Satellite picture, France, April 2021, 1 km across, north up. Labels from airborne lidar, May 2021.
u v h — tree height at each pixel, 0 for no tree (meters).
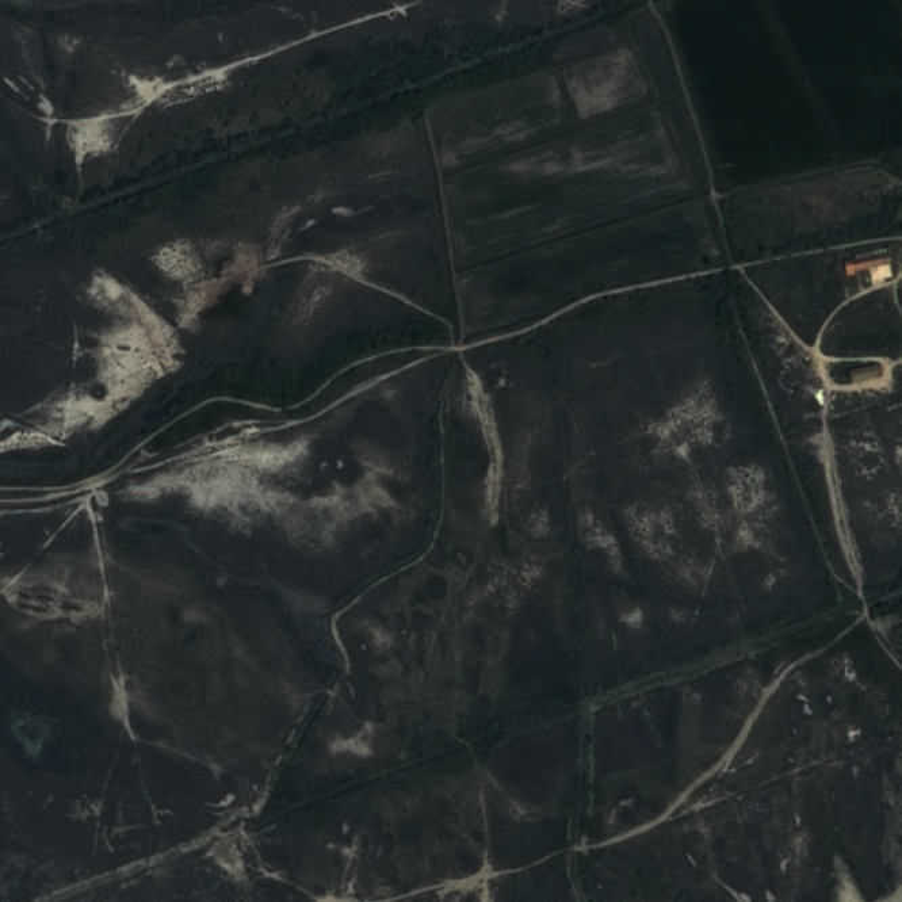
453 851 0
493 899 0
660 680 0
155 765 0
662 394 0
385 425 0
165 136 0
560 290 0
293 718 0
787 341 0
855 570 0
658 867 0
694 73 0
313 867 0
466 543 0
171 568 0
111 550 0
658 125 0
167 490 0
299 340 0
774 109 0
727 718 0
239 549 0
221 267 0
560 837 0
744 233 0
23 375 0
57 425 0
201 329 0
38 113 0
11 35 0
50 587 0
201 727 0
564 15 0
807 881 0
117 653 0
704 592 0
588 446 0
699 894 0
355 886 0
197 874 0
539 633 0
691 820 0
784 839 0
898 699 0
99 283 0
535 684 0
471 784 0
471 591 0
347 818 0
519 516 0
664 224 0
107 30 0
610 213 0
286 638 0
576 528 0
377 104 7
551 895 0
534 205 0
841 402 0
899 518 0
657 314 0
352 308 0
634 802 0
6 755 0
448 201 0
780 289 0
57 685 0
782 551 0
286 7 0
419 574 0
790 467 6
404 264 0
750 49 0
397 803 0
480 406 0
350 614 0
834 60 0
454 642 0
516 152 0
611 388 0
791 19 0
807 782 0
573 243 0
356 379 0
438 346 0
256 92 0
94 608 0
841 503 0
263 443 0
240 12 0
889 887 0
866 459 0
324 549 0
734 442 0
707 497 0
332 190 0
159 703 0
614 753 0
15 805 0
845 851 0
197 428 0
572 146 0
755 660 0
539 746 0
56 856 0
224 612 0
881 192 0
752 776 0
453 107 0
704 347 0
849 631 0
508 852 0
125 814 0
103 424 0
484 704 0
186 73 0
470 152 0
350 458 0
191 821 0
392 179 0
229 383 0
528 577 0
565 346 0
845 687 0
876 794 0
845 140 0
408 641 0
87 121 0
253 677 0
